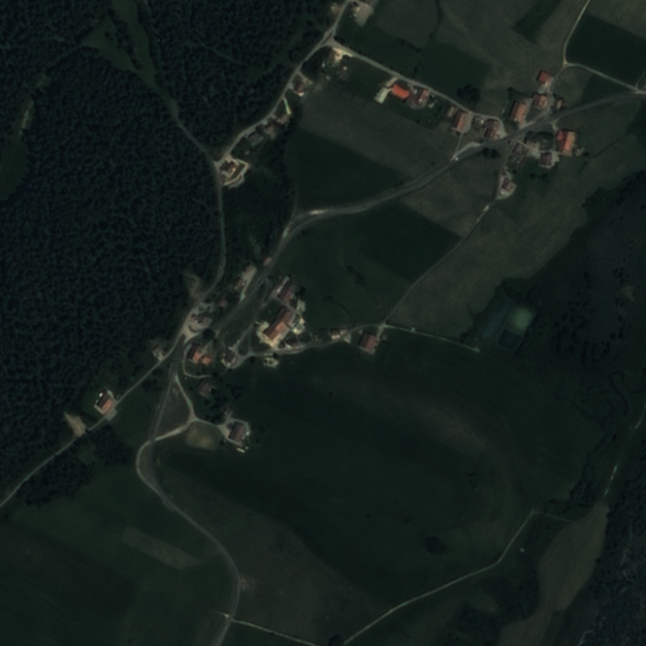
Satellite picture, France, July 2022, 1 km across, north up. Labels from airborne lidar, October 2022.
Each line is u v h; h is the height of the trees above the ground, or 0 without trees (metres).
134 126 23
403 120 0
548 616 0
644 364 0
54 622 0
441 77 0
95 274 29
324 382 0
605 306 0
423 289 0
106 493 0
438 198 0
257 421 0
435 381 0
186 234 22
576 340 19
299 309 0
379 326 0
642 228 0
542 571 0
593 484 8
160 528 0
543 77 0
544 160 0
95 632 0
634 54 0
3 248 27
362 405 0
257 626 0
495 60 0
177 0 17
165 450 0
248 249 7
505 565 0
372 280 0
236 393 12
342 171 0
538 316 7
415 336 0
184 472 0
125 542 0
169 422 0
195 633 0
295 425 0
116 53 0
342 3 0
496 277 0
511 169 0
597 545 0
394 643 0
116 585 0
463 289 0
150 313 15
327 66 0
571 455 0
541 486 0
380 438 0
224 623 0
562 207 0
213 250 18
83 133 33
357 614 0
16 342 26
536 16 0
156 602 0
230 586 0
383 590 0
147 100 31
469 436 0
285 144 17
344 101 0
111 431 22
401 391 0
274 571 0
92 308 30
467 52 0
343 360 0
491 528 0
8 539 0
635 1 0
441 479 0
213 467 0
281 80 23
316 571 0
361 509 0
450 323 0
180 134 20
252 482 0
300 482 0
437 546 18
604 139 0
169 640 0
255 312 0
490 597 0
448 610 0
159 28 22
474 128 0
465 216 0
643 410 0
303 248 0
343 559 0
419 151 0
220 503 0
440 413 0
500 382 0
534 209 0
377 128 0
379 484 0
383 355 0
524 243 0
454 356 0
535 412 0
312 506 0
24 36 28
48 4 33
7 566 0
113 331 23
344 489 0
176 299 19
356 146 0
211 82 23
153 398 0
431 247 0
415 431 0
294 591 0
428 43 0
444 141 0
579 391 0
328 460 0
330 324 0
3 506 0
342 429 0
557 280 0
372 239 0
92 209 27
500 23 0
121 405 0
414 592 0
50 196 31
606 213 0
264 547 0
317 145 0
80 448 19
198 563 0
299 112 7
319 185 0
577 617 0
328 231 0
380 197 0
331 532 0
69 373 20
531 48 0
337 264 0
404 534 0
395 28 0
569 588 0
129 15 0
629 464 0
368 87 0
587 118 0
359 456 0
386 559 0
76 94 18
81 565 0
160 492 0
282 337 0
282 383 0
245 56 22
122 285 26
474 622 8
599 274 0
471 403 0
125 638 0
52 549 0
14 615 0
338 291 0
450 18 0
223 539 0
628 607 9
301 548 0
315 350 0
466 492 0
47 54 20
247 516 0
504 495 0
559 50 0
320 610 0
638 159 0
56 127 27
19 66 21
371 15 0
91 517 0
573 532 0
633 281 0
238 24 25
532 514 0
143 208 30
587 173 0
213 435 0
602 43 0
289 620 0
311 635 0
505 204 0
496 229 0
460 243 0
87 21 26
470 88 11
